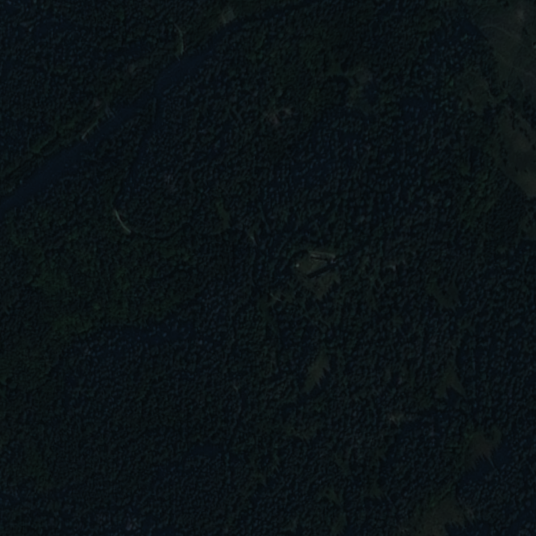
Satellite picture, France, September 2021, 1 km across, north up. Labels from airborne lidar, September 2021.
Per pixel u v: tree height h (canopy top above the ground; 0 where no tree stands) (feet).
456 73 54
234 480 94
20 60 103
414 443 92
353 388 60
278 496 75
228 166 43
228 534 38
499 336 60
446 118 70
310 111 95
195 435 61
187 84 97
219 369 99
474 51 78
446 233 94
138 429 75
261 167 84
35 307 88
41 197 84
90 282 94
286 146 69
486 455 0
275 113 73
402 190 53
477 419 93
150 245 56
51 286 75
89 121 25
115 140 75
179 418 79
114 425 69
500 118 56
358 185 32
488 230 34
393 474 73
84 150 40
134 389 75
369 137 64
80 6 101
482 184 55
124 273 68
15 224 97
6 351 57
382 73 78
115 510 88
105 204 85
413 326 94
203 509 84
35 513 27
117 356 88
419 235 79
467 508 73
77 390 118
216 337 89
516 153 0
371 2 17
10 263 62
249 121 60
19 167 20
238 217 84
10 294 100
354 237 64
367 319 83
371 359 91
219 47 80
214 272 72
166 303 66
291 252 55
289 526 76
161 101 82
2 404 77
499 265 71
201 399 109
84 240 77
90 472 95
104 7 99
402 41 88
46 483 73
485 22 0
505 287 81
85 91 95
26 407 79
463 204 50
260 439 21
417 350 72
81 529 81
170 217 71
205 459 89
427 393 39
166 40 69
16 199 0
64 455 87
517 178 0
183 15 88
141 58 108
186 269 59
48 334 82
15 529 67
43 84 100
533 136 0
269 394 36
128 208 82
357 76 0
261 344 54
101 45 92
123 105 25
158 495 105
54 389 71
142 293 80
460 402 68
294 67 79
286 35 89
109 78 100
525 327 103
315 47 65
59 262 91
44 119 100
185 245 89
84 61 112
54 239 74
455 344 97
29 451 64
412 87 56
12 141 79
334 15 87
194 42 28
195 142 59
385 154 44
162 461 88
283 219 47
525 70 0
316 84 48
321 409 72
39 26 54
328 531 96
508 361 38
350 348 56
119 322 89
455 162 98
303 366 80
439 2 113
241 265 110
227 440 29
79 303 73
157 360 87
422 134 108
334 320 31
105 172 73
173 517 102
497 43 0
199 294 38
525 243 21
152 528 98
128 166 62
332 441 67
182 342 97
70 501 86
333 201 73
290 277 49
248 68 94
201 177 70
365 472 73
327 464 74
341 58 62
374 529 63
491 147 23
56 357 77
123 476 78
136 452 86
